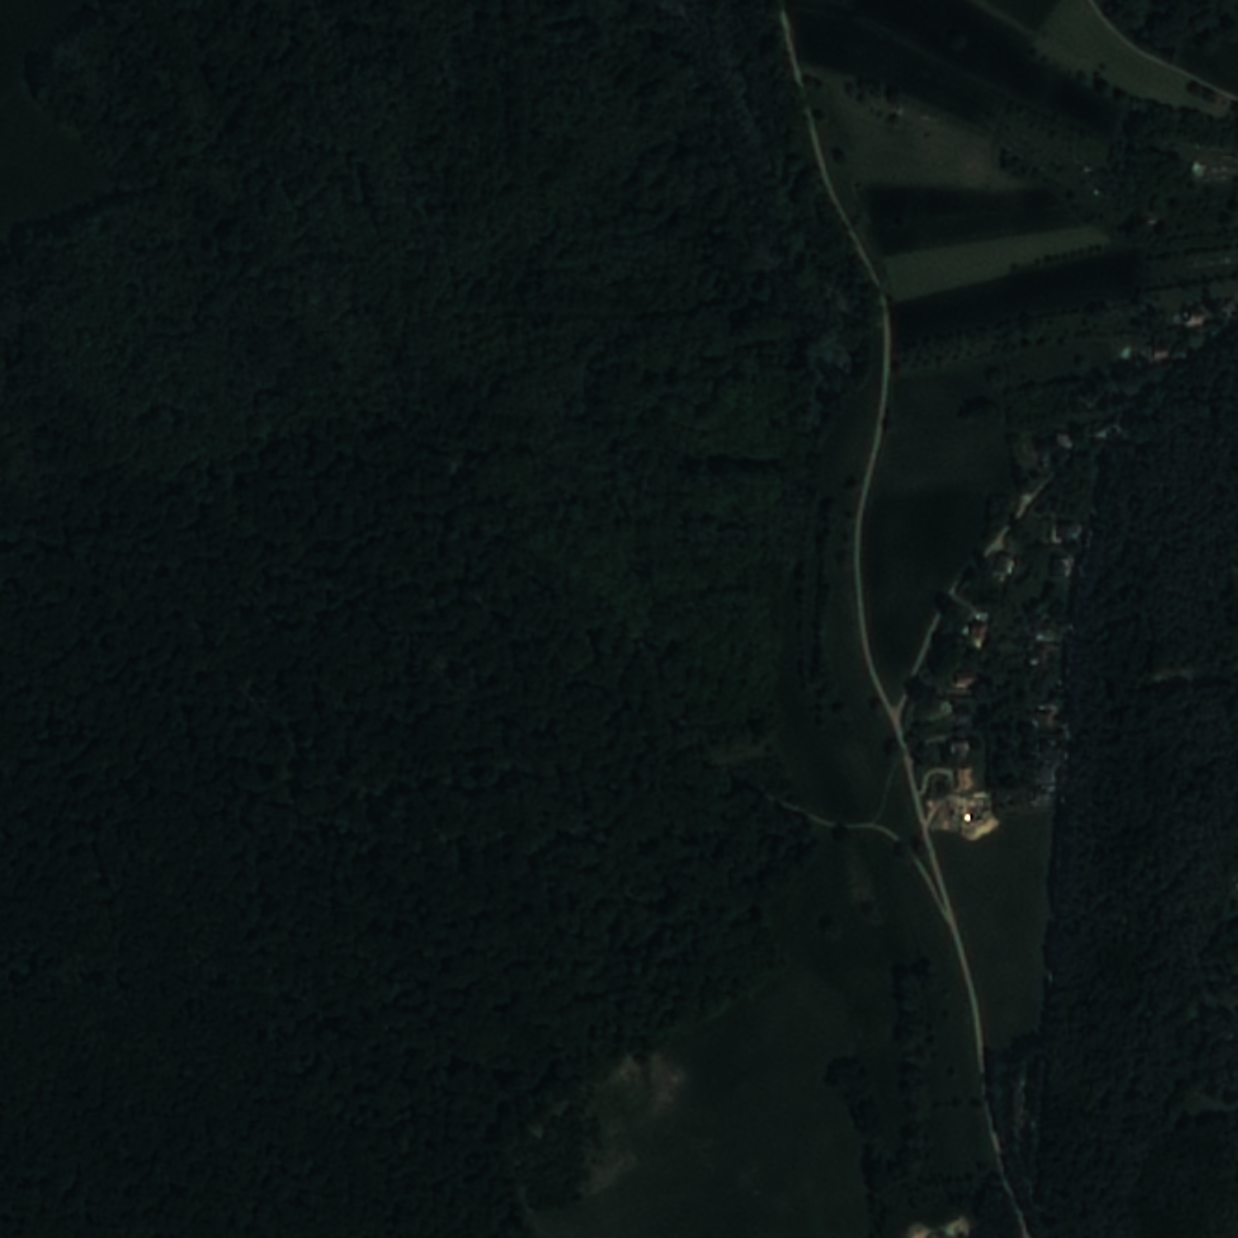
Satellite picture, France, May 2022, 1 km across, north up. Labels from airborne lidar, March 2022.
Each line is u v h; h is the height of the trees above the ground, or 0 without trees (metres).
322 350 21
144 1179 30
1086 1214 22
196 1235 30
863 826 0
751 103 23
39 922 29
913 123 0
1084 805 25
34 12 0
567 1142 6
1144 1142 17
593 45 28
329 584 29
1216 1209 18
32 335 29
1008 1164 14
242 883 26
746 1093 0
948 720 0
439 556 28
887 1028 0
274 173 19
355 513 23
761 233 23
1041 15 0
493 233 19
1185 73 0
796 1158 0
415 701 30
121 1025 30
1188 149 0
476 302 19
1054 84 0
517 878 31
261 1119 32
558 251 23
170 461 0
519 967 26
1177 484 21
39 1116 28
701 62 25
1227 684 11
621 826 31
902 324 0
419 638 30
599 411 28
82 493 29
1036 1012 0
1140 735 23
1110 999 18
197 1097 30
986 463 0
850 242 11
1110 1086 20
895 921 0
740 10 20
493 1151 28
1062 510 7
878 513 0
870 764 0
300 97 24
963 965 0
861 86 8
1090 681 22
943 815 0
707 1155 0
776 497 25
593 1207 0
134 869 31
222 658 25
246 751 21
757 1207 0
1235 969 11
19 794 26
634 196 22
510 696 31
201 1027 32
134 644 25
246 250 24
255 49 0
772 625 31
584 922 31
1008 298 0
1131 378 21
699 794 33
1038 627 0
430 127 17
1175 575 22
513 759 34
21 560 30
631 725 31
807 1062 0
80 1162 29
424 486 29
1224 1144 16
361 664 29
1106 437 0
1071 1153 21
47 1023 31
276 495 30
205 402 27
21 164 0
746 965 25
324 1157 33
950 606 19
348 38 27
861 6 0
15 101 0
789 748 0
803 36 0
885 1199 0
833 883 0
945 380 0
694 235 24
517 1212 26
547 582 30
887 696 0
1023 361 0
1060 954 22
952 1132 0
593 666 29
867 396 0
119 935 28
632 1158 0
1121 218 0
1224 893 6
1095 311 11
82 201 0
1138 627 27
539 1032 27
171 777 29
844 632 0
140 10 0
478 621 28
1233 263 0
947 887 0
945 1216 0
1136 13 12
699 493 29
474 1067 32
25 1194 28
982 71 0
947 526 0
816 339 24
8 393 30
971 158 0
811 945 0
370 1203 31
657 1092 0
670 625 34
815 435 21
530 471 20
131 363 31
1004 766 15
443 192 19
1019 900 0
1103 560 21
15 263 27
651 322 30
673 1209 0
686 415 25
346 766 29
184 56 0
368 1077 29
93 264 0
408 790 27
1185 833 24
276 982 30
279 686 28
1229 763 16
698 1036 0
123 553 29
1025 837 0
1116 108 0
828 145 0
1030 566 7
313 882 28
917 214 0
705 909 28
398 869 31
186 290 14
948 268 0
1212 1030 20
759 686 19
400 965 32
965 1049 0
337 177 28
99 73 25
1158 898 23
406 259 24
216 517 29
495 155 20
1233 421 24
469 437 27
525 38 26
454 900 28
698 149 31
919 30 0
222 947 30
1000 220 0
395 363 27
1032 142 0
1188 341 14
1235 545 14
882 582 0
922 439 0
